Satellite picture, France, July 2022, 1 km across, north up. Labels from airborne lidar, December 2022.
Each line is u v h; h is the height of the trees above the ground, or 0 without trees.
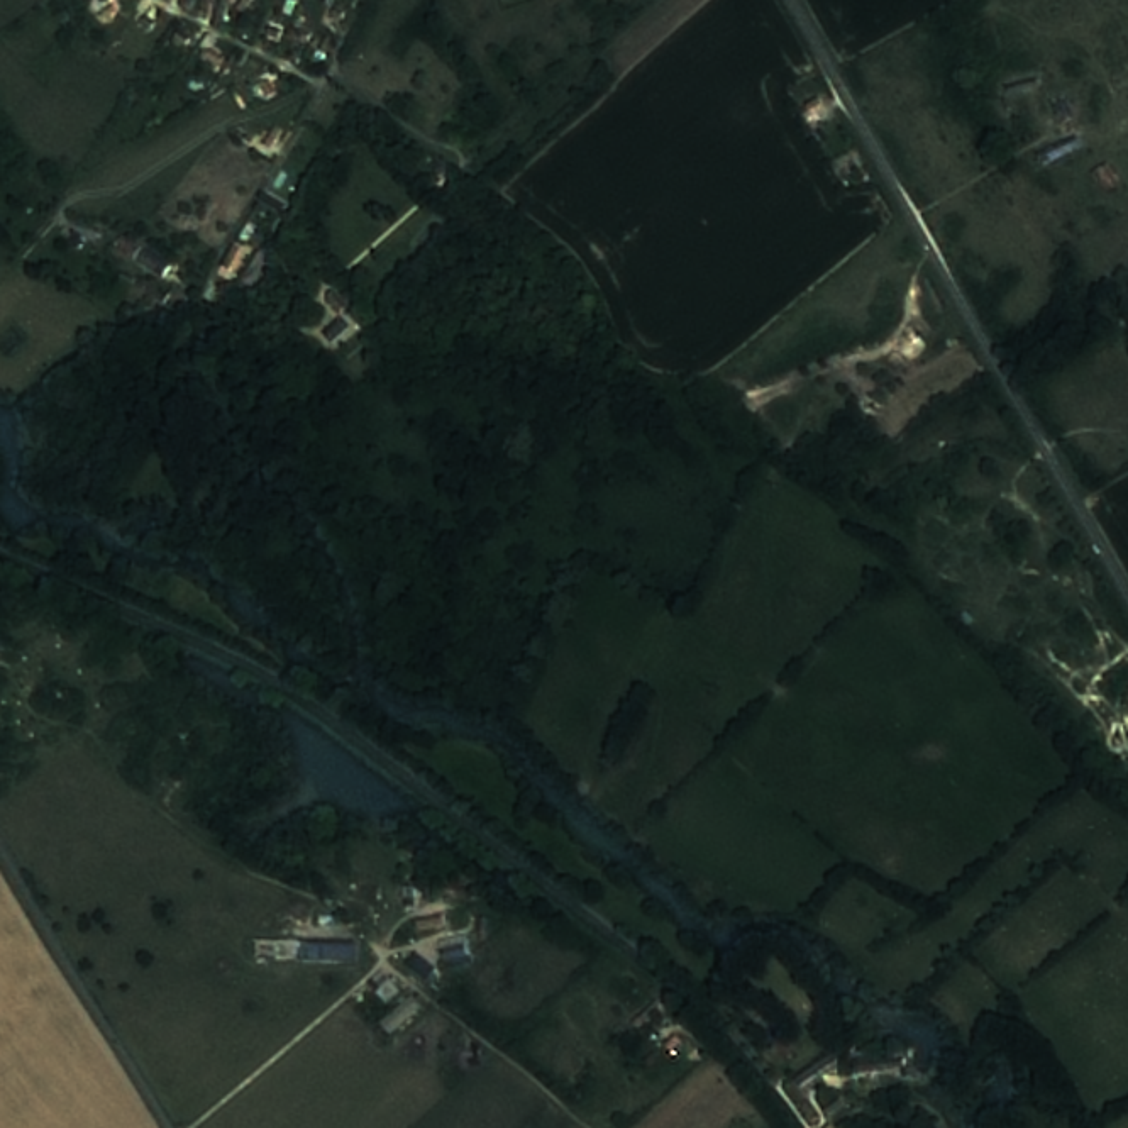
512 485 8
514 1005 0
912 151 0
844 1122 10
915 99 0
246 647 15
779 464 18
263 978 0
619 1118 11
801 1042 29
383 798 0
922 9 0
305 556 19
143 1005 0
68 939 0
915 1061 0
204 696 5
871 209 0
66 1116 0
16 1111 0
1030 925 0
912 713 0
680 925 0
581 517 7
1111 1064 0
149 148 0
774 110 0
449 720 0
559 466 0
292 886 6
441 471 6
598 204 0
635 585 17
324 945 0
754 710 10
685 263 0
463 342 17
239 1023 0
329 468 14
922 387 0
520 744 23
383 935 0
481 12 0
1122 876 0
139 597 11
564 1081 0
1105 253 0
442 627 11
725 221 0
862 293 0
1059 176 0
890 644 0
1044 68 0
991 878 0
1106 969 0
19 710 0
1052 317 14
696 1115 0
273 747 15
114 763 0
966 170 0
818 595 0
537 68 0
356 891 0
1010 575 0
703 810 0
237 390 26
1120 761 10
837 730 0
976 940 12
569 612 15
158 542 19
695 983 29
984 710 0
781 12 0
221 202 0
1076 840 0
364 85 0
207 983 0
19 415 0
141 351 19
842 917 0
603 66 12
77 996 0
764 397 0
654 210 0
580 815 0
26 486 16
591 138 0
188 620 10
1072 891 0
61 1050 0
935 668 0
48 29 0
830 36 0
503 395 8
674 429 18
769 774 0
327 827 25
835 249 0
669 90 0
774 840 0
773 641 0
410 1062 0
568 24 0
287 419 14
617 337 15
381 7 0
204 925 0
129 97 7
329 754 0
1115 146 0
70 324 0
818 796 0
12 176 10
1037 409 7
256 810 9
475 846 17
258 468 14
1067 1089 21
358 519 12
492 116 9
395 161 18
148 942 0
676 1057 0
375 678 13
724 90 0
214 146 0
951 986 0
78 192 0
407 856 0
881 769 0
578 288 21
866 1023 21
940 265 0
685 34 0
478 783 0
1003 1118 21
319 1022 0
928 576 0
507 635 7
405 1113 0
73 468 18
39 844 0
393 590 22
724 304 0
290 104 0
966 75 16
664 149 0
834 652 0
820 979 31
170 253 9
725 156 0
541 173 0
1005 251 0
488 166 6
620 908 0
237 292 13
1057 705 14
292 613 23
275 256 15
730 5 0
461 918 0
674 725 0
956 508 16
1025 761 0
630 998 0
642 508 0
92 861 0
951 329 0
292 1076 0
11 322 0
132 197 0
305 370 30
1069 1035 0
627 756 18
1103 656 0
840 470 9
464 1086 0
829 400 0
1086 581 0
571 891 20
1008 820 0
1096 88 0
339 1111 0
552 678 0
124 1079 0
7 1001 0
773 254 0
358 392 0
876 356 0
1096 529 0
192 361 20
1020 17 0
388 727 17
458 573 20
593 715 0
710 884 0
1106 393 0
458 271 16
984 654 11
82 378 18
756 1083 25
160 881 0
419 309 24
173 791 0
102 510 23
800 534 0
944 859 0
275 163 6
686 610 28
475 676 6
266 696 16
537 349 20
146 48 0
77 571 17
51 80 0
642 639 0
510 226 19
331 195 12
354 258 0
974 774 0
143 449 24
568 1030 0
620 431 7
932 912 12
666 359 0
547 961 0
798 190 0
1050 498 10
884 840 0
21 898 0
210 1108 0
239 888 0
